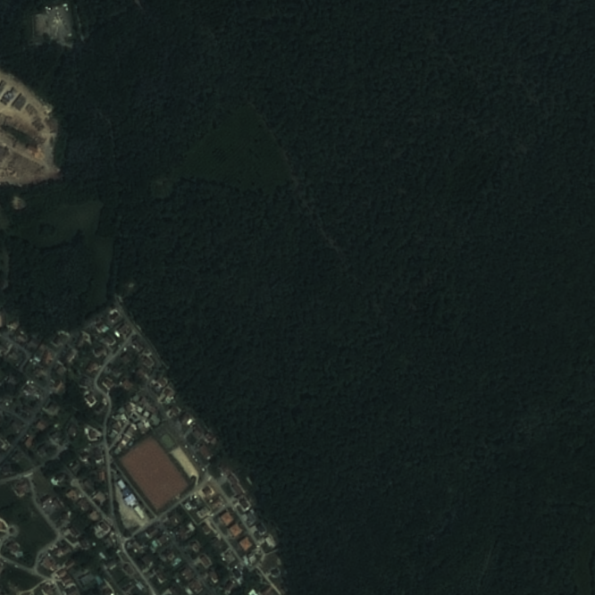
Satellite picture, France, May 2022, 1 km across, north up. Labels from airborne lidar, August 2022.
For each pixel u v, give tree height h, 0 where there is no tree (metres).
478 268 13
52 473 12
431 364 15
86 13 9
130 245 20
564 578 31
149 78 19
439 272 11
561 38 28
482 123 15
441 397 14
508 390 18
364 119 16
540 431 21
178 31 16
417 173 15
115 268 14
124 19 18
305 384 19
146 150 18
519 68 12
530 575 12
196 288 9
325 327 18
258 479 18
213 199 18
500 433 25
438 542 21
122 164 17
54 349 0
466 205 11
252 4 14
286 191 14
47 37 10
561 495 23
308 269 10
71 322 19
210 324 12
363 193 14
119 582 0
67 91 18
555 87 13
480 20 23
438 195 16
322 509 14
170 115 20
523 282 17
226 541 0
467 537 16
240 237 15
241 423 21
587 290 20
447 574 14
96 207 0
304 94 18
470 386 16
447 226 16
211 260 16
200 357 15
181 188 14
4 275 12
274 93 17
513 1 22
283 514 18
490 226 14
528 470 22
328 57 14
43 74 9
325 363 23
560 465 24
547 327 13
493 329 17
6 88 0
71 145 15
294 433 18
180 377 15
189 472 0
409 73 14
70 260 23
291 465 19
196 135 14
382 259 18
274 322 14
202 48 18
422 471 14
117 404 14
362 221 13
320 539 14
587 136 19
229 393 11
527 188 14
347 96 14
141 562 6
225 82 21
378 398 15
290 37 21
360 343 15
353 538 11
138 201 19
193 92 18
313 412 20
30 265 18
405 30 14
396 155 14
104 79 17
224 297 15
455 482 24
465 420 18
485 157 11
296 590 12
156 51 16
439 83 17
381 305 16
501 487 15
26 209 5
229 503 0
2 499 0
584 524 27
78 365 7
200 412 17
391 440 12
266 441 21
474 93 12
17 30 19
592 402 23
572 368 24
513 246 13
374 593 22
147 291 15
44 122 0
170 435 0
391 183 14
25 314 23
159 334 6
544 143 15
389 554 17
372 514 13
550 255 21
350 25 15
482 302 15
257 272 9
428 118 15
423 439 13
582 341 24
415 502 17
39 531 0
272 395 18
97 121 16
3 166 0
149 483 0
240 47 20
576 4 30
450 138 15
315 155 16
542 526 18
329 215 13
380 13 12
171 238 17
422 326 22
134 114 21
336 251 13
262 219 10
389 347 17
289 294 12
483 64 11
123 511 0
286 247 8
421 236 16
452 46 22
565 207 18
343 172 15
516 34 25
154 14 23
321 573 12
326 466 17
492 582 9
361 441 17
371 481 12
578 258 14
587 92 19
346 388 17
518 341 18
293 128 17
